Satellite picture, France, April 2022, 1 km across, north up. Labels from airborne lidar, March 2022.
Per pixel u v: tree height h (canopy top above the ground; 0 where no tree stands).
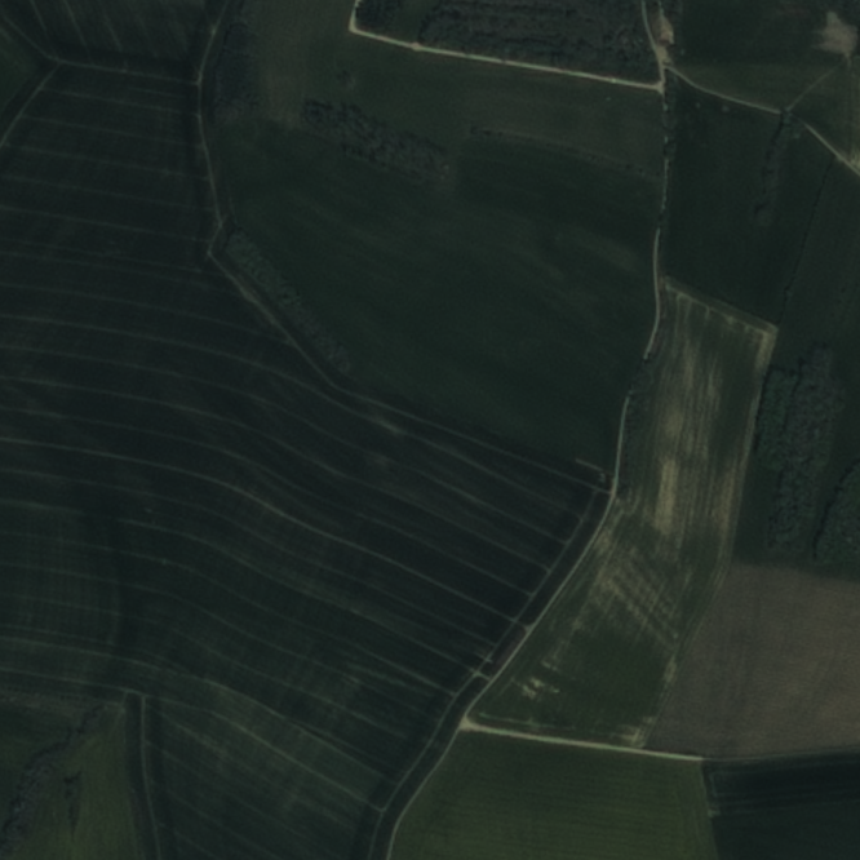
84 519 0
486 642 0
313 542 0
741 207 0
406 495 0
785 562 0
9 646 0
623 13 17
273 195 0
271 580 0
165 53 0
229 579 0
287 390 0
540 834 0
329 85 0
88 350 0
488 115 0
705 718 0
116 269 0
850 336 0
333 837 0
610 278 0
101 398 0
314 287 0
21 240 0
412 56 0
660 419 0
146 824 0
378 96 0
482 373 0
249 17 12
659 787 0
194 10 0
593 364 0
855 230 0
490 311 0
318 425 0
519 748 0
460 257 0
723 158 0
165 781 0
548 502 0
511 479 0
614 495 0
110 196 0
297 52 0
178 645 0
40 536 0
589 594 0
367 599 0
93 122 0
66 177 0
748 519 0
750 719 0
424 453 0
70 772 0
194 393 0
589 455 0
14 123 0
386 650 0
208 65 0
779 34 0
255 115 10
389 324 0
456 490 0
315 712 0
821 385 24
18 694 6
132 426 0
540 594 0
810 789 0
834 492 0
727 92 0
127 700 0
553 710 0
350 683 0
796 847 0
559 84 0
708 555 0
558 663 0
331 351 10
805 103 0
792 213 0
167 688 0
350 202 0
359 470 0
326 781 0
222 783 0
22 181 0
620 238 0
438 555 0
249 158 0
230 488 0
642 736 0
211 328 0
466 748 0
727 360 0
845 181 0
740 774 0
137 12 0
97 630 0
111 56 0
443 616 0
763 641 0
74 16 0
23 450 0
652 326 0
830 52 0
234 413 0
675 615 0
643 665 0
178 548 0
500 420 0
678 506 0
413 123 0
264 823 0
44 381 0
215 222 0
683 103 0
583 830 0
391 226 0
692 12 0
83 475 0
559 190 0
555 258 0
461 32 14
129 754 0
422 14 0
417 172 19
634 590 0
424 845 0
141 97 0
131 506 0
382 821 0
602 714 0
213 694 0
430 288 0
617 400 0
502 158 0
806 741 0
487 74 0
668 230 9
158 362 0
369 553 0
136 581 0
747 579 0
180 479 0
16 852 16
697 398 0
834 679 0
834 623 0
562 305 0
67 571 0
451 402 0
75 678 0
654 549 0
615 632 0
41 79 0
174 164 0
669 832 0
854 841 0
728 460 0
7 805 0
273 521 0
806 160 0
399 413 0
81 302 0
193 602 0
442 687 0
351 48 0
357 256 0
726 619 0
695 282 0
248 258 13
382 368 0
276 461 0
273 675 0
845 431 0
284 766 0
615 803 0
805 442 24
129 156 0
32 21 0
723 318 0
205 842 0
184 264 0
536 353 0
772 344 0
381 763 0
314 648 0
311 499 0
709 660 0
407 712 0
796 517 16
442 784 0
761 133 0
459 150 0
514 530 0
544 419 0
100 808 0
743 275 0
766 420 15
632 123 0
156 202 0
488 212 0
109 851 0
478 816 0
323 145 0
